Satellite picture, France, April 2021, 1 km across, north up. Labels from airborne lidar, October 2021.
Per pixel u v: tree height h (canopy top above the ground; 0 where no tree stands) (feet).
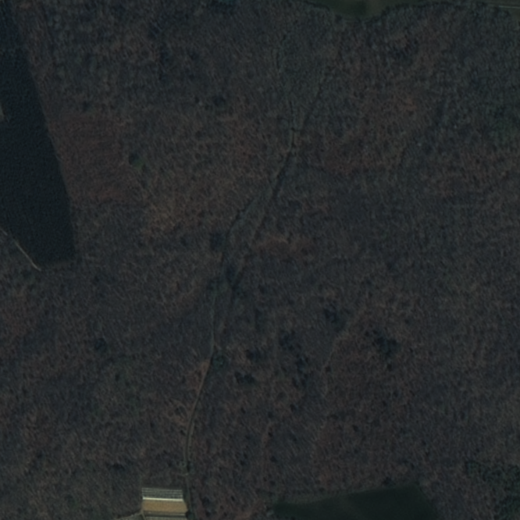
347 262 33
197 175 64
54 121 23
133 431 28
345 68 64
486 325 41
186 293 61
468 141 78
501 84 62
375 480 43
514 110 74
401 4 0
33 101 46
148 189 61
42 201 45
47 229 44
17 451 48
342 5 0
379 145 68
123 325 33
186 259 49
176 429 39
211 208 34
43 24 32
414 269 44
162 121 47
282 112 48
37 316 24
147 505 0
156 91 59
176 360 31
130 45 45
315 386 47
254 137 20
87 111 55
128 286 31
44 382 53
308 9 68
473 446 26
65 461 56
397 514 0
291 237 49
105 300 49
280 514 0
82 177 21
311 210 33
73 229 37
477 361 56
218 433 46
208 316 68
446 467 26
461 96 54
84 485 64
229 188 40
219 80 37
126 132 19
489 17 82
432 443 36
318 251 42
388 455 49
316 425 65
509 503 52
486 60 66
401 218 56
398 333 57
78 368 25
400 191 59
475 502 33
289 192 72
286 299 34
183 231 75
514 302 43
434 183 54
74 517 48
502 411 66
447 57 63
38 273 40
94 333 41
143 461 33
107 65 46
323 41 81
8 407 24
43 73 25
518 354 26
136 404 61
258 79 77
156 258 38
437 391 41
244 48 62
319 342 50
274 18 55
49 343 35
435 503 42
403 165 42
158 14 51
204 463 26
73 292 45
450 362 40
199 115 60
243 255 49
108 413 31
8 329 25
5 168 44
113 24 58
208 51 59
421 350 29
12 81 46
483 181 22
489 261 38
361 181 77
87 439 53
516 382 31
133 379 58
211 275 51
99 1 64
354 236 37
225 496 29
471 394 39
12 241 52
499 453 52
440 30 37
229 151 31
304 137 80
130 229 33
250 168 25
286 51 71
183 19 87
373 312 43
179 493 0
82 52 59
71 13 67
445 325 46
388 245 28
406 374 24
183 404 52
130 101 45
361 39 26
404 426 37
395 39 60
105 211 43
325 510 0
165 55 45
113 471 49
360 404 25
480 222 49
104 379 56
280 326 34
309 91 79
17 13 31
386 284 54
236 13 59
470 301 68
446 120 81
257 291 31
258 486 47
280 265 37
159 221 50
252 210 73
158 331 36
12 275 54
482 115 64
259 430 35
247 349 59
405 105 26
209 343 80
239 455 35
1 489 35
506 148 32
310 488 53
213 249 42
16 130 42
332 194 46
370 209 43
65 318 58
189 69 29
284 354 32
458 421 46
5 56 45
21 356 39
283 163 63
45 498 55
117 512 63
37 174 45
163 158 63
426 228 66
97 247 50
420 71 22
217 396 43
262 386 37
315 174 60
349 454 29
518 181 62
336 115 62
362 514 0
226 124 29
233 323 38
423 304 49
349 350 22
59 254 44
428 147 48
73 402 46
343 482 39
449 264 61
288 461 51
